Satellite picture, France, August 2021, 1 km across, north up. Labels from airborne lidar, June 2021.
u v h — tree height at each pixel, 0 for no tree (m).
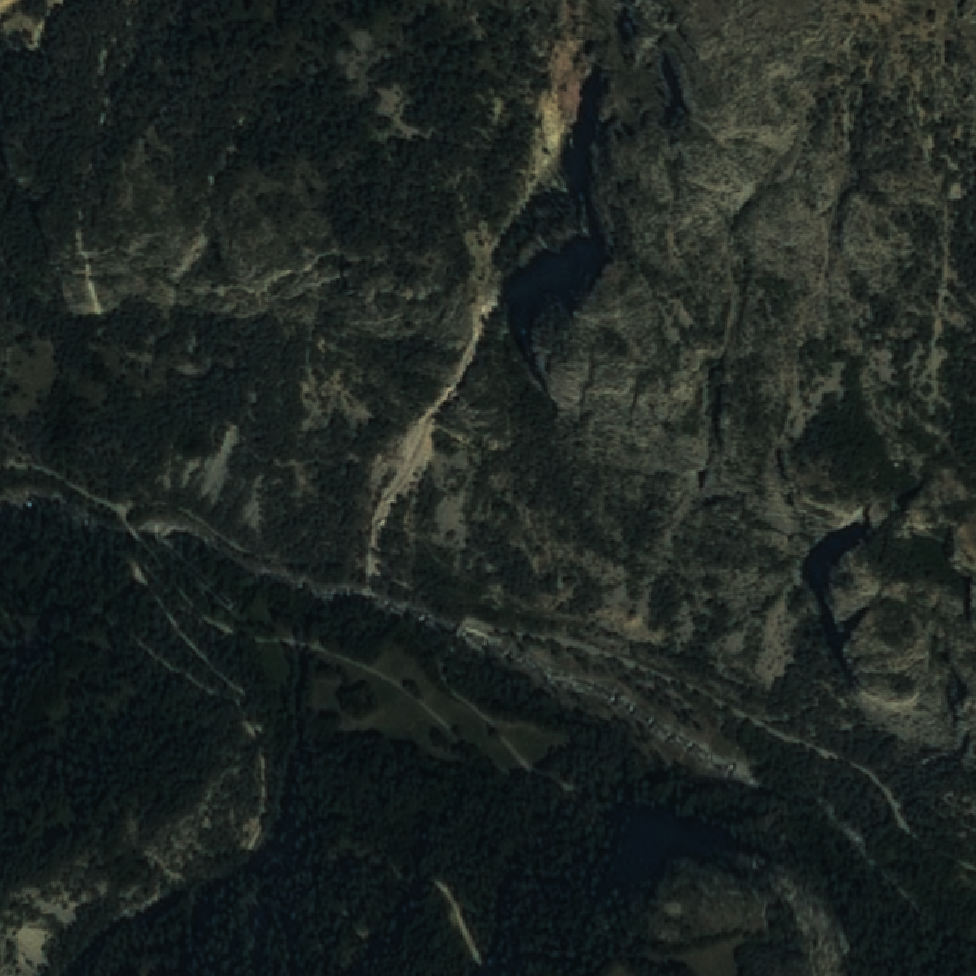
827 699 8
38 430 15
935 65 0
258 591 12
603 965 13
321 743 14
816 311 0
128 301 11
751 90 0
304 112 11
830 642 7
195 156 10
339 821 20
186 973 25
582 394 7
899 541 9
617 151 0
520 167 9
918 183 0
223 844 8
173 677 8
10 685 14
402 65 8
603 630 7
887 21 0
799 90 0
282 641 0
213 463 0
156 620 19
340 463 7
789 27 0
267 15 0
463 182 16
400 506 10
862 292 10
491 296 0
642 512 8
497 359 6
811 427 8
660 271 7
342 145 17
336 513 10
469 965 9
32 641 7
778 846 10
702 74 0
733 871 9
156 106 9
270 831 10
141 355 6
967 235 13
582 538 7
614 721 10
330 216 10
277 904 18
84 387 0
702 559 17
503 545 10
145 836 8
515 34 13
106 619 12
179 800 14
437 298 10
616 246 10
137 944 7
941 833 6
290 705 25
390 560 9
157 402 10
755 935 8
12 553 20
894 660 0
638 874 8
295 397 7
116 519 11
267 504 6
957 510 8
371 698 12
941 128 8
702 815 30
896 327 6
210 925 23
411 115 11
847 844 18
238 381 18
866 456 6
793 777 10
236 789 12
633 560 12
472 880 12
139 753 24
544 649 16
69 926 8
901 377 9
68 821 0
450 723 0
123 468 8
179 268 18
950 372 8
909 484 7
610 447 11
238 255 0
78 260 7
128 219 0
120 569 20
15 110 17
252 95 6
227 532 7
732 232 6
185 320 11
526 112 7
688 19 0
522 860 15
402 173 14
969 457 14
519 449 7
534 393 9
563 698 18
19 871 16
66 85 11
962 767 10
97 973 30
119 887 8
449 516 0
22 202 13
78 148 13
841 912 8
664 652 12
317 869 10
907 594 6
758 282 7
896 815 11
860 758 10
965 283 7
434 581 15
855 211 0
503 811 14
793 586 8
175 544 9
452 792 10
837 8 0
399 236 9
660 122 0
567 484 12
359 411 0
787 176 0
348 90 11
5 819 8
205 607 21
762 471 6
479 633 0
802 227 0
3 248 14
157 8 6
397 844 14
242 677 19
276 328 10
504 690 10
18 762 20
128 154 9
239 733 12
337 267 9
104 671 11
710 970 0
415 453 0
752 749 10
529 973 26
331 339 7
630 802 21
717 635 12
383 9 25
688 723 18
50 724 30
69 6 12
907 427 6
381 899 13
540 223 7
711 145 0
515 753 0
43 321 15
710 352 19
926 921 19
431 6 6
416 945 18
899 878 15
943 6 0
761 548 6
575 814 15
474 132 7
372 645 18
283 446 9
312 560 11
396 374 8
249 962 13
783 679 6
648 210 0
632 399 9
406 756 29
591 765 17
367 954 29
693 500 6
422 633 20
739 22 0
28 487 10
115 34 8
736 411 7
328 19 7
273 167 14
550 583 13
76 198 8
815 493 6
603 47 0
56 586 12
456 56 19
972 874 8
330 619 17
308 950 26
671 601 13
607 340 5
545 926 13
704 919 0
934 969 12
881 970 17
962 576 7
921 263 8
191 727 18
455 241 14
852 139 14
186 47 22
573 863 9
